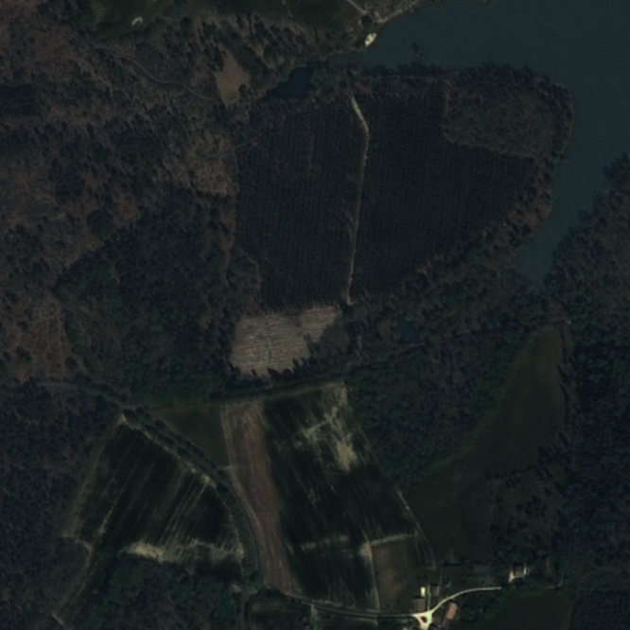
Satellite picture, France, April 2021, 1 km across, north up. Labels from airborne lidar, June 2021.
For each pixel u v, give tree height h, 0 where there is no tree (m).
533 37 0
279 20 0
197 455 14
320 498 0
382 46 0
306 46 13
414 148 13
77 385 14
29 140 22
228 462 0
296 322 0
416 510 0
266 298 14
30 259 15
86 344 7
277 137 12
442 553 0
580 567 15
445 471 0
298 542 0
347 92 9
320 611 0
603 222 22
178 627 18
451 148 13
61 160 9
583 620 11
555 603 0
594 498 8
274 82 14
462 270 25
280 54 14
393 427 14
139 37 17
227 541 0
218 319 8
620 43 0
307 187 12
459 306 29
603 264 16
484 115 16
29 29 7
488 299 24
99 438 14
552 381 0
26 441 23
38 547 18
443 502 0
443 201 11
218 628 22
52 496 19
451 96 15
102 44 15
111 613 20
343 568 0
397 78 14
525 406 0
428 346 23
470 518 0
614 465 12
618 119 0
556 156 13
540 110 12
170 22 17
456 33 0
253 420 0
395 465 16
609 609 12
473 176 14
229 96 0
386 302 15
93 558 0
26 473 6
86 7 26
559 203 0
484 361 11
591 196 0
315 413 0
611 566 13
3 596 21
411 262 14
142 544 0
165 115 23
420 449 18
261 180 13
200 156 0
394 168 15
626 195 14
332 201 12
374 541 0
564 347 7
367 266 11
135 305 16
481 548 0
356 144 13
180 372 24
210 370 24
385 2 0
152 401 21
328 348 13
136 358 16
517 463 0
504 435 0
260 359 0
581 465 15
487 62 0
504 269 23
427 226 15
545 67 0
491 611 14
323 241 13
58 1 17
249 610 10
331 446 0
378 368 27
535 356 0
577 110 0
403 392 7
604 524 20
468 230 15
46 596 21
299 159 12
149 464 0
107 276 21
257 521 0
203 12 0
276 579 0
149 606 26
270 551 0
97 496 0
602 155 0
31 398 24
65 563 18
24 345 0
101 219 21
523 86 15
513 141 15
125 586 24
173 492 0
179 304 17
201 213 17
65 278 14
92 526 0
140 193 23
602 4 0
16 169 9
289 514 0
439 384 9
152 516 0
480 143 9
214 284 20
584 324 29
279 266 9
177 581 16
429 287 27
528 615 0
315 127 11
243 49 12
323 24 0
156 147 25
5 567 21
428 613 0
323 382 13
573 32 0
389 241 12
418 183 15
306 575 0
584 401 14
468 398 24
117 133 23
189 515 0
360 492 0
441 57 0
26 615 12
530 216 12
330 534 0
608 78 0
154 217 7
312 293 15
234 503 13
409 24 0
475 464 0
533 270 0
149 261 13
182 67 12
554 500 0
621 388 20
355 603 0
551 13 0
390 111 13
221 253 18
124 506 0
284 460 0
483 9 0
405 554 0
